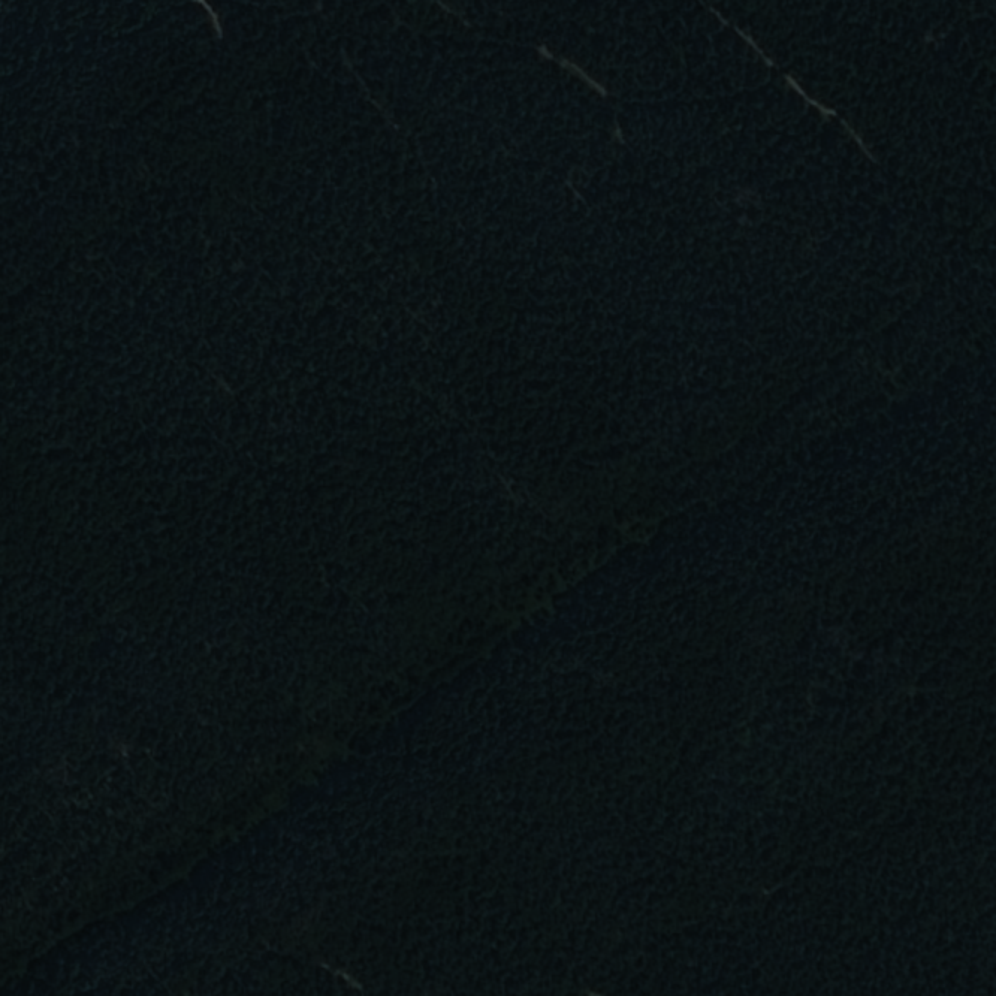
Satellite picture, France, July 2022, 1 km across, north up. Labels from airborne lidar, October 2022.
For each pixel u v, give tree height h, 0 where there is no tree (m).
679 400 21
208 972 24
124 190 23
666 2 23
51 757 17
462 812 29
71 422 14
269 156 20
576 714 22
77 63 23
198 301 21
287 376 21
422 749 22
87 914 12
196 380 19
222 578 19
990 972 12
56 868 20
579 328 19
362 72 22
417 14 25
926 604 20
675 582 24
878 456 12
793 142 26
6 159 20
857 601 22
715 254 17
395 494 20
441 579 18
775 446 26
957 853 16
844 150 22
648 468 22
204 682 18
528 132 21
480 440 8
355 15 17
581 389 17
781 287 18
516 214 19
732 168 13
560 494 15
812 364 25
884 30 17
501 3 20
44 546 24
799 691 18
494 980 20
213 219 22
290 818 11
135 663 26
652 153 13
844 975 21
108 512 23
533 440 19
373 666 18
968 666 19
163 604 16
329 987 21
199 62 23
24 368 17
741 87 10
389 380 24
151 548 17
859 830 17
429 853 17
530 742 22
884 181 18
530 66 15
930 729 18
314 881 22
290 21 22
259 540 19
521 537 13
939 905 20
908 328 24
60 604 15
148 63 23
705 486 33
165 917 22
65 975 26
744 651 14
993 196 22
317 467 23
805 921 22
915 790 7
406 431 20
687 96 20
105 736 20
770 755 14
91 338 20
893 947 28
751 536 25
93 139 24
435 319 24
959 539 19
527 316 18
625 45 22
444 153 19
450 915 17
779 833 16
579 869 17
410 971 22
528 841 20
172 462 19
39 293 23
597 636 21
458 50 21
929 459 21
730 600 16
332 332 20
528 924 21
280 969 22
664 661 25
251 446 22
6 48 26
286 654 11
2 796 17
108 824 16
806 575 17
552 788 22
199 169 23
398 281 25
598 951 18
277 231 19
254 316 24
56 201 8
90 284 11
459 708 24
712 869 18
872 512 18
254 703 22
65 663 27
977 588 17
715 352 10
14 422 20
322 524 22
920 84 23
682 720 19
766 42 25
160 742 21
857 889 23
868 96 20
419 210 23
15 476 22
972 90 23
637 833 15
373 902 22
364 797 24
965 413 15
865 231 19
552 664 7
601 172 21
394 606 16
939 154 22
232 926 21
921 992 19
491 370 17
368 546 17
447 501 18
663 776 15
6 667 20
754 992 22
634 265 16
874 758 20
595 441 7
